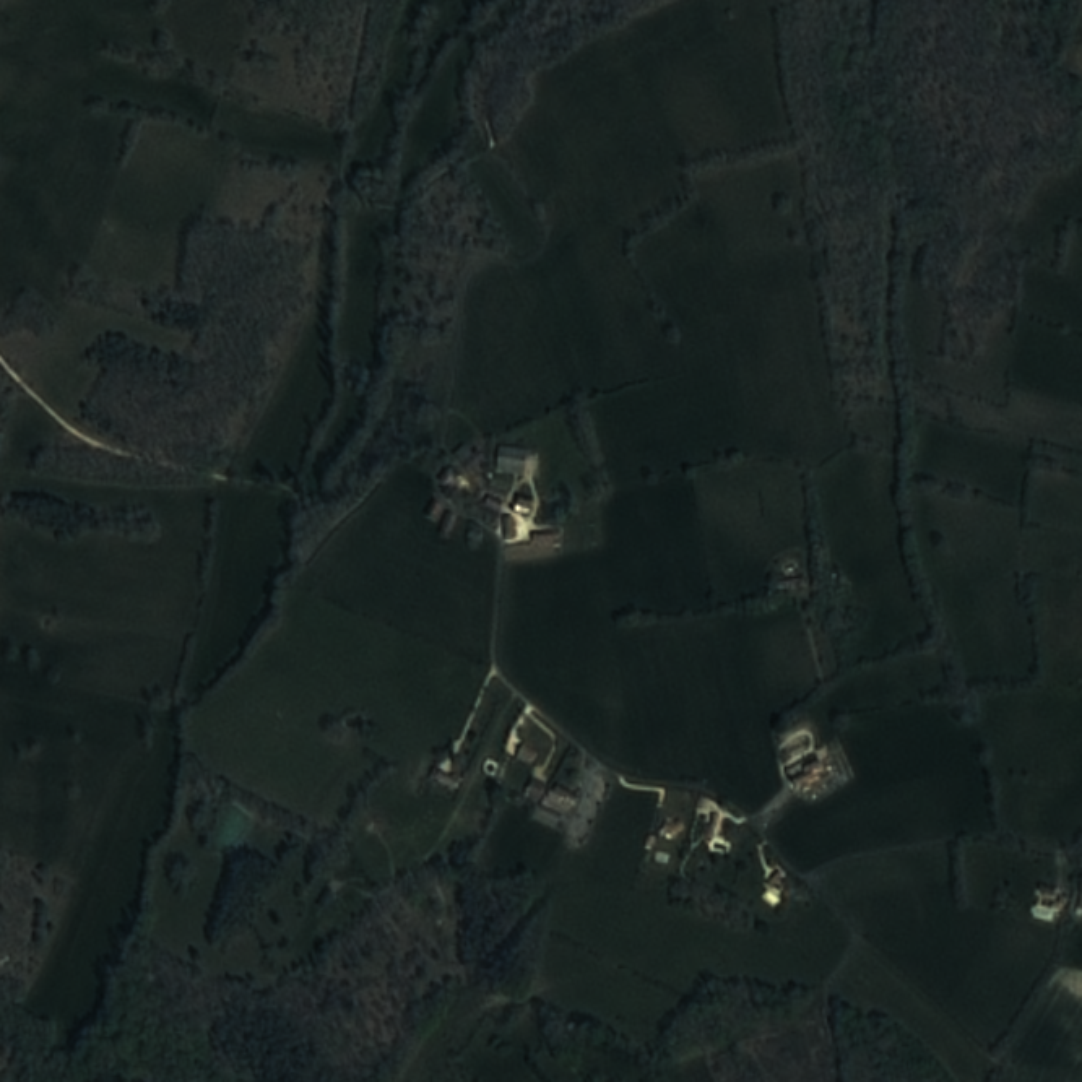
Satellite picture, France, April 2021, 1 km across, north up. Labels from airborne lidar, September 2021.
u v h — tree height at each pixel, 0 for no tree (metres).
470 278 0
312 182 0
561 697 0
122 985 24
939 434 0
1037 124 18
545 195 0
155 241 0
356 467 11
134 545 10
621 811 0
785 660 0
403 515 0
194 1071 24
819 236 16
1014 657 0
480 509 6
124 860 0
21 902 12
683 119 0
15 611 0
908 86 8
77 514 8
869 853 0
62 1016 0
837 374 13
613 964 0
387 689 0
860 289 10
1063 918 8
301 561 13
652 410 0
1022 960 0
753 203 0
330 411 13
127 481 19
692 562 0
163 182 0
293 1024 13
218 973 0
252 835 0
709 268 0
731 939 0
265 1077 12
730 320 0
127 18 0
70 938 0
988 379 0
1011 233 0
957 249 15
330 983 7
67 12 0
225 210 0
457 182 10
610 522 0
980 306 17
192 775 18
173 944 0
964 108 10
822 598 14
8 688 0
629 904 0
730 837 14
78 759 0
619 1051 15
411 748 0
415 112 12
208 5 0
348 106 8
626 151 0
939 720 0
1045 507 0
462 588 0
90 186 0
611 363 0
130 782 0
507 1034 11
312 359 0
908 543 16
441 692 0
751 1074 17
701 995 14
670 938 0
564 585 0
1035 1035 0
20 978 9
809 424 0
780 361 0
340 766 0
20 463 0
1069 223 8
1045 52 18
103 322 0
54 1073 28
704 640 0
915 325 0
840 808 0
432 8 23
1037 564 0
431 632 0
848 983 0
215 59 0
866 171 19
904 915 0
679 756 0
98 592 0
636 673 0
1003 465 0
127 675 0
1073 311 0
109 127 0
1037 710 0
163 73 17
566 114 0
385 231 0
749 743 0
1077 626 0
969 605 0
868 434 0
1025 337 0
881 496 0
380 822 0
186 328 13
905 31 14
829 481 0
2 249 0
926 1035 0
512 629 0
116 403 16
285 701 0
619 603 0
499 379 0
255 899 17
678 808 0
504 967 19
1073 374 0
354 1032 11
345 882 0
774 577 6
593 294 0
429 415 17
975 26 15
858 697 0
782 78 11
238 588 0
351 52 14
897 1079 15
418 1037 16
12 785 0
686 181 13
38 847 0
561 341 0
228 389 15
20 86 0
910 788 0
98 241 0
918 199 13
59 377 0
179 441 14
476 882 21
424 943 8
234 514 0
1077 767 0
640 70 0
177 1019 19
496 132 13
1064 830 0
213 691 7
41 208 0
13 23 0
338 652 0
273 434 0
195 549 0
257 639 17
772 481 0
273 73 0
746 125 0
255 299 20
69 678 0
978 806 0
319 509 20
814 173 11
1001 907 6
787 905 9
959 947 0
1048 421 0
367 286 0
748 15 0
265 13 21
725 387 0
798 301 0
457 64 0
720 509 0
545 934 10
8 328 10
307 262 10
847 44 19
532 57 14
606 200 0
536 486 0
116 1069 17
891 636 0
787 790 0
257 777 0
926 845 0
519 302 0
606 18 8
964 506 14
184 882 15
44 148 0
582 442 28
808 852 0
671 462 0
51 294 0
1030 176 0
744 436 0
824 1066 0
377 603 0
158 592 0
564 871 0
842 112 19
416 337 11
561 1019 17
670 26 0
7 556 0
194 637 8
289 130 0
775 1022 19
